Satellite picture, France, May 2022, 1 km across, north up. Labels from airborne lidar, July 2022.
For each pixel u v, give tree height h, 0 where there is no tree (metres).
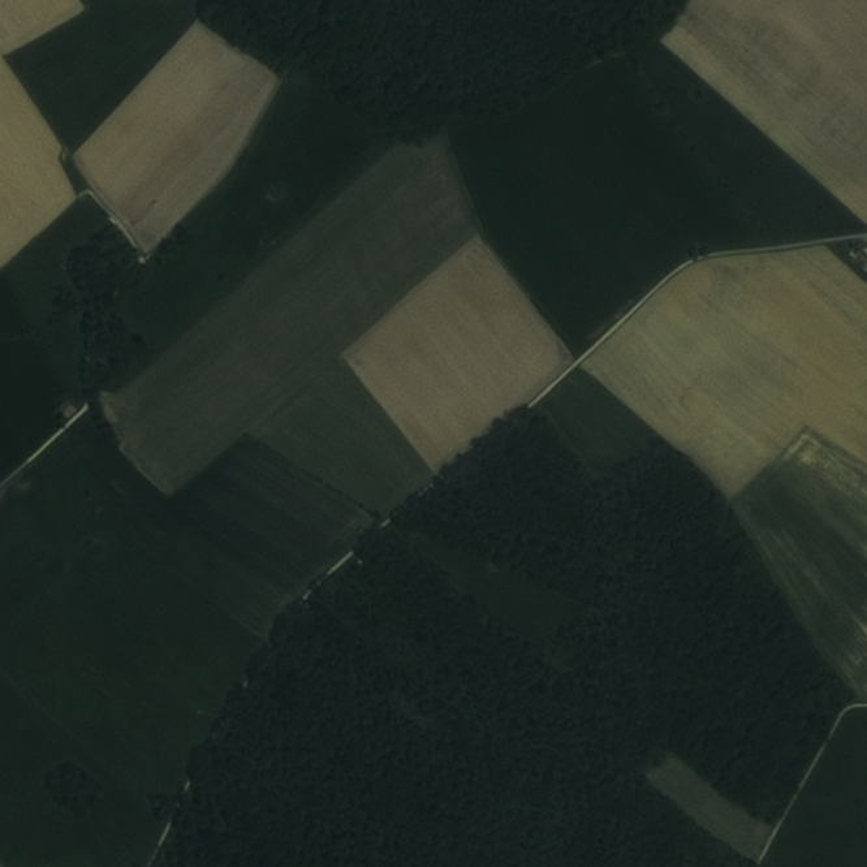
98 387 12
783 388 0
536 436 29
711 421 0
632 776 23
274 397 0
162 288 0
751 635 29
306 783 27
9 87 0
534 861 27
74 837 0
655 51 0
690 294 0
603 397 0
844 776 0
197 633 0
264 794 25
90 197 0
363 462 0
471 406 0
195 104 0
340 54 28
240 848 25
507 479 28
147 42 0
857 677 0
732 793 24
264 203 0
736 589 27
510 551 13
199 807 19
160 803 16
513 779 28
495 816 19
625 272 0
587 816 24
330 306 0
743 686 26
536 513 12
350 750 29
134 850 0
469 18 15
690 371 0
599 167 0
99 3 0
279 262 0
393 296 0
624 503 25
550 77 13
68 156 0
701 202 0
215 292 0
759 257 0
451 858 26
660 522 21
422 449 0
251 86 0
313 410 0
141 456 0
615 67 0
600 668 28
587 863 24
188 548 0
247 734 26
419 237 0
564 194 0
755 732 28
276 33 25
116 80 0
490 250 0
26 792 0
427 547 0
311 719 30
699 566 25
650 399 0
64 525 0
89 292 19
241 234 0
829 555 0
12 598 0
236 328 0
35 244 0
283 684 27
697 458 0
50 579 0
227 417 0
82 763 0
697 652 27
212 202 0
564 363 0
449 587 10
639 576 29
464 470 23
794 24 0
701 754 23
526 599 0
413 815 25
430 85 25
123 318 0
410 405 0
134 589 0
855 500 0
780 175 0
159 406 0
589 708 29
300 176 0
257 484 0
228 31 17
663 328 0
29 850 0
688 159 0
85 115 0
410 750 21
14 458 0
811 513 0
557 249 0
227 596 0
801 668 24
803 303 0
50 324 7
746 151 0
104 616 0
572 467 19
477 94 24
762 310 0
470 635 27
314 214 0
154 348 0
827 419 0
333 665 26
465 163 0
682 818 15
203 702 0
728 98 0
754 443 0
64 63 0
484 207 0
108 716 0
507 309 0
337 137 0
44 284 0
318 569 0
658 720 25
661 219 0
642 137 0
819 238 0
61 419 11
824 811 0
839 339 0
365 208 0
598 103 0
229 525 0
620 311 0
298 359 0
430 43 26
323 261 0
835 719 12
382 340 0
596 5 27
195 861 25
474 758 17
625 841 21
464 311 0
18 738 0
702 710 29
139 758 0
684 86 0
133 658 0
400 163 0
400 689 20
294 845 28
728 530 24
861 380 0
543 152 0
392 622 6
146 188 0
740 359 0
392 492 0
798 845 0
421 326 0
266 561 0
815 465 0
